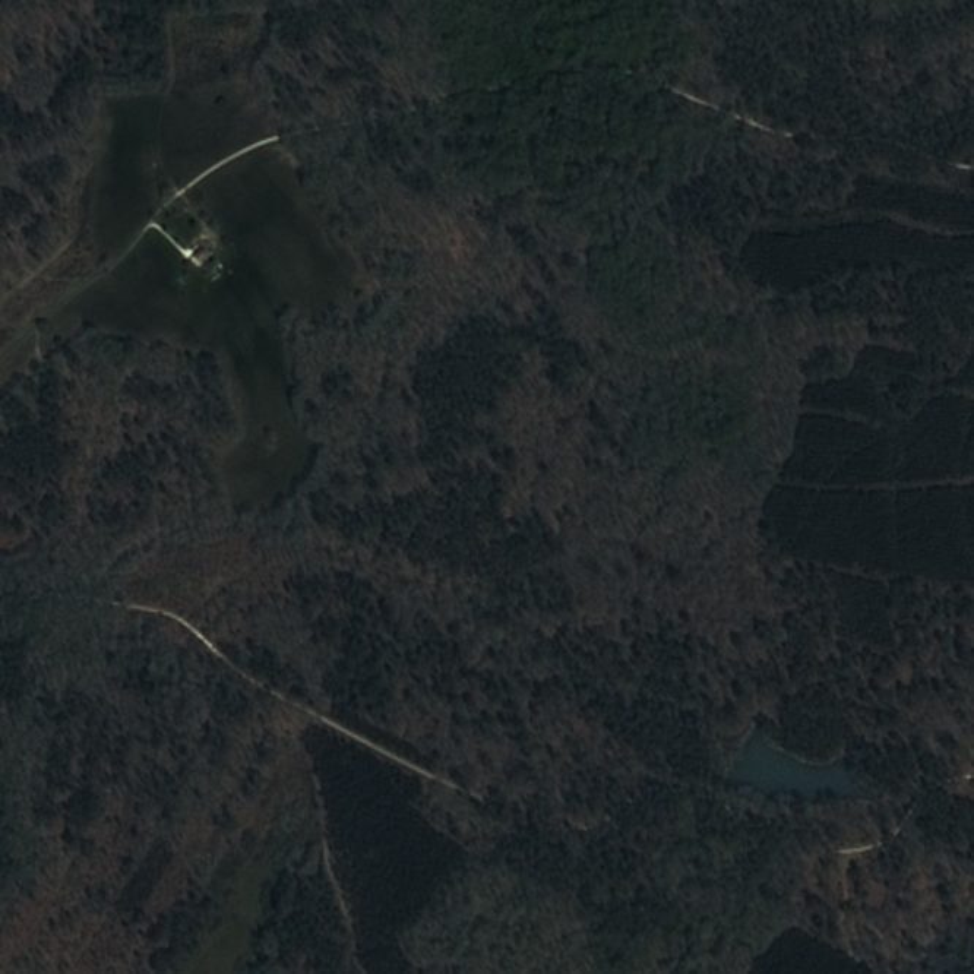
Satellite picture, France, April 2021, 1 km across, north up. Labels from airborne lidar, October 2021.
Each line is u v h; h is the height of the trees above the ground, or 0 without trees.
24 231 8
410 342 16
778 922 16
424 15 17
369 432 20
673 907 22
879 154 27
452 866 12
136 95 17
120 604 16
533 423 12
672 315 21
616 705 25
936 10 22
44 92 15
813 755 21
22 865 18
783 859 23
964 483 9
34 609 20
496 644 19
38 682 19
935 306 23
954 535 13
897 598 15
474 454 23
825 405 13
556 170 27
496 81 14
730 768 12
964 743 13
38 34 14
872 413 11
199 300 0
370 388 13
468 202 19
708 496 14
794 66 29
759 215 25
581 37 25
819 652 20
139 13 24
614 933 22
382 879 11
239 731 24
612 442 17
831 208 23
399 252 16
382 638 17
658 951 22
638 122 24
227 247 12
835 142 27
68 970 12
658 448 29
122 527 27
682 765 27
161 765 9
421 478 18
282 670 23
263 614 15
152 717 9
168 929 15
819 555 11
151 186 0
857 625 12
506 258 18
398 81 16
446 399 25
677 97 14
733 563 8
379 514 23
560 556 22
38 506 18
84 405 13
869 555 12
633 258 26
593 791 21
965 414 11
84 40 14
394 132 19
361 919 10
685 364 19
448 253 14
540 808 16
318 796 7
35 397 23
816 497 11
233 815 14
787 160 8
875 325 16
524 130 25
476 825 15
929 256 11
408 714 6
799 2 16
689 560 14
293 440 0
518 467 24
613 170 27
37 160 16
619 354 16
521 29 18
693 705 17
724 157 20
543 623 13
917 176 21
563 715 14
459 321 22
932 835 24
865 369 12
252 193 0
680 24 21
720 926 18
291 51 20
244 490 0
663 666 21
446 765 10
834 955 12
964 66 19
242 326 0
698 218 25
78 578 19
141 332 0
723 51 19
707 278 19
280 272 0
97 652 20
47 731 23
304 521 22
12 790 20
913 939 13
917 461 11
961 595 17
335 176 21
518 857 28
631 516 25
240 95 0
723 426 23
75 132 18
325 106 13
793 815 15
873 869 10
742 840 27
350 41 21
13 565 23
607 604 11
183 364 15
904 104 22
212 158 0
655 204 27
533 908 26
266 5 20
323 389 20
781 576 14
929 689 23
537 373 13
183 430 10
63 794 16
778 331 16
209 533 16
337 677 16
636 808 24
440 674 19
